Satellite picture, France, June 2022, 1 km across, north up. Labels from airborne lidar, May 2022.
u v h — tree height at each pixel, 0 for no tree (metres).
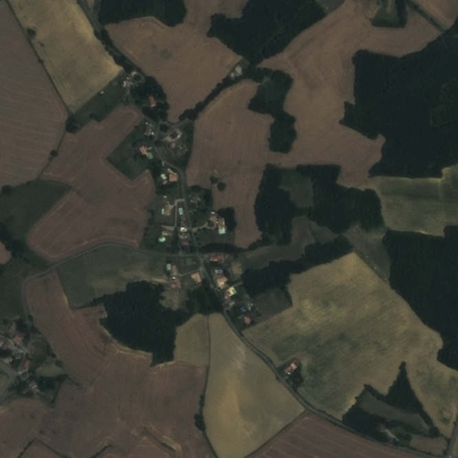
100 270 0
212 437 0
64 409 0
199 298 7
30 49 0
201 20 0
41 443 0
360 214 14
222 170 0
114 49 7
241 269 0
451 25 0
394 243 13
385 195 0
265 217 15
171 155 0
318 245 10
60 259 0
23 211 0
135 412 0
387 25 9
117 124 0
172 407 0
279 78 15
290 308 0
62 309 0
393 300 0
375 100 12
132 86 7
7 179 0
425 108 17
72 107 0
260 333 0
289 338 0
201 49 0
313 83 0
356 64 13
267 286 12
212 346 0
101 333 0
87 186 0
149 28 0
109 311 13
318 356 0
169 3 13
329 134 0
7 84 0
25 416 0
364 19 0
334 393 0
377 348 0
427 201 0
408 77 13
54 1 0
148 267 0
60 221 0
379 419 15
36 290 0
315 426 0
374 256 0
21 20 0
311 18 17
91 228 0
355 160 0
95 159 0
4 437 0
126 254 0
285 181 0
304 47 0
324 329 0
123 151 0
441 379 0
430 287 14
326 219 13
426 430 0
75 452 0
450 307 17
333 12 0
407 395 15
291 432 0
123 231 0
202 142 0
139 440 0
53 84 0
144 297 18
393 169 17
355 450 0
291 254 0
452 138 17
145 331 14
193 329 0
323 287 0
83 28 0
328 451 0
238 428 0
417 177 14
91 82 0
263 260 0
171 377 0
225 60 0
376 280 0
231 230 17
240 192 0
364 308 0
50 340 0
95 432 0
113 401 0
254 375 0
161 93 17
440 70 12
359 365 0
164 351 15
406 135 17
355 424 20
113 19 18
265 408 0
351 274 0
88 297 0
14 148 0
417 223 0
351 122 12
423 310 16
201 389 0
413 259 15
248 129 0
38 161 0
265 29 19
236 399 0
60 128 0
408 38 0
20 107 0
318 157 0
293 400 0
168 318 15
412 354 0
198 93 0
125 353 0
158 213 0
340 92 0
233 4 0
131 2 10
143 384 0
